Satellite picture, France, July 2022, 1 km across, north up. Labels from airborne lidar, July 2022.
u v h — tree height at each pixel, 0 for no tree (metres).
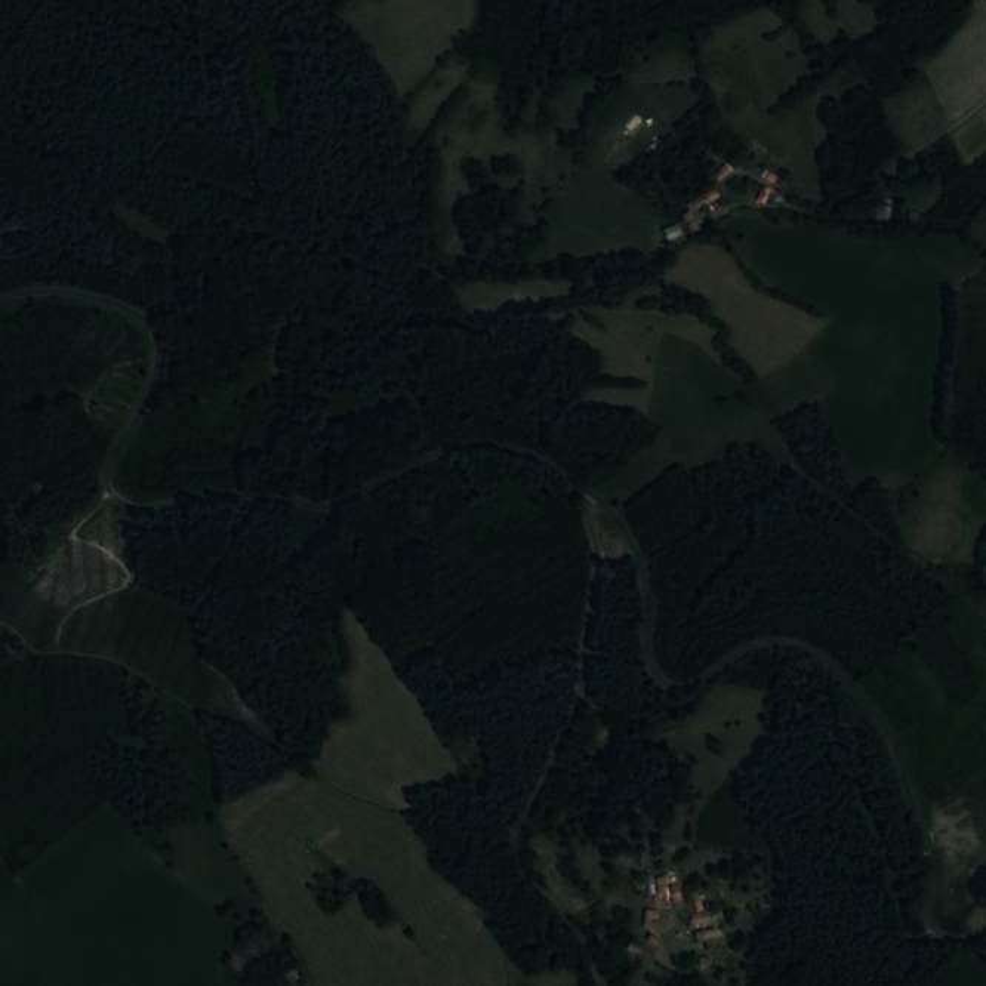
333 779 0
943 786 0
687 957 16
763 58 0
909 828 21
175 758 13
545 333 24
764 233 0
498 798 20
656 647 7
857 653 9
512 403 8
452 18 0
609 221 0
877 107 10
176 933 0
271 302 27
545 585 7
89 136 17
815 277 0
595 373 20
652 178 8
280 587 21
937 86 0
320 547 30
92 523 0
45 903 0
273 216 27
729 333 6
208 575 18
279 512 20
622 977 9
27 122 16
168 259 23
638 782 20
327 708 11
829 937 24
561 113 0
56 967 0
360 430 33
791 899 25
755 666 8
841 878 26
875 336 0
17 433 27
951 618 7
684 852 11
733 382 0
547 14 19
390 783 0
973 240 7
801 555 22
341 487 24
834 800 24
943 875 0
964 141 0
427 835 18
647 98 0
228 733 25
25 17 10
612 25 6
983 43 0
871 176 9
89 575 0
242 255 26
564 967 14
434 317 9
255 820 0
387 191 27
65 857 0
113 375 0
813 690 12
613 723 18
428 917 0
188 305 25
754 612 7
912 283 0
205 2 26
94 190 22
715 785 0
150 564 29
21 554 29
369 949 0
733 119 0
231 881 0
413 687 24
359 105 43
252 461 24
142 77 19
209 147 7
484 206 7
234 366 27
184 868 0
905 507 7
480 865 28
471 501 17
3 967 0
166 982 0
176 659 0
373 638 18
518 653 8
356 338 16
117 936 0
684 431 0
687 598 13
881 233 15
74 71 15
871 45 18
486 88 0
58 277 9
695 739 0
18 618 0
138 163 13
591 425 29
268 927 14
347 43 25
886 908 23
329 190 26
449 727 18
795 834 26
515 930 26
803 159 0
